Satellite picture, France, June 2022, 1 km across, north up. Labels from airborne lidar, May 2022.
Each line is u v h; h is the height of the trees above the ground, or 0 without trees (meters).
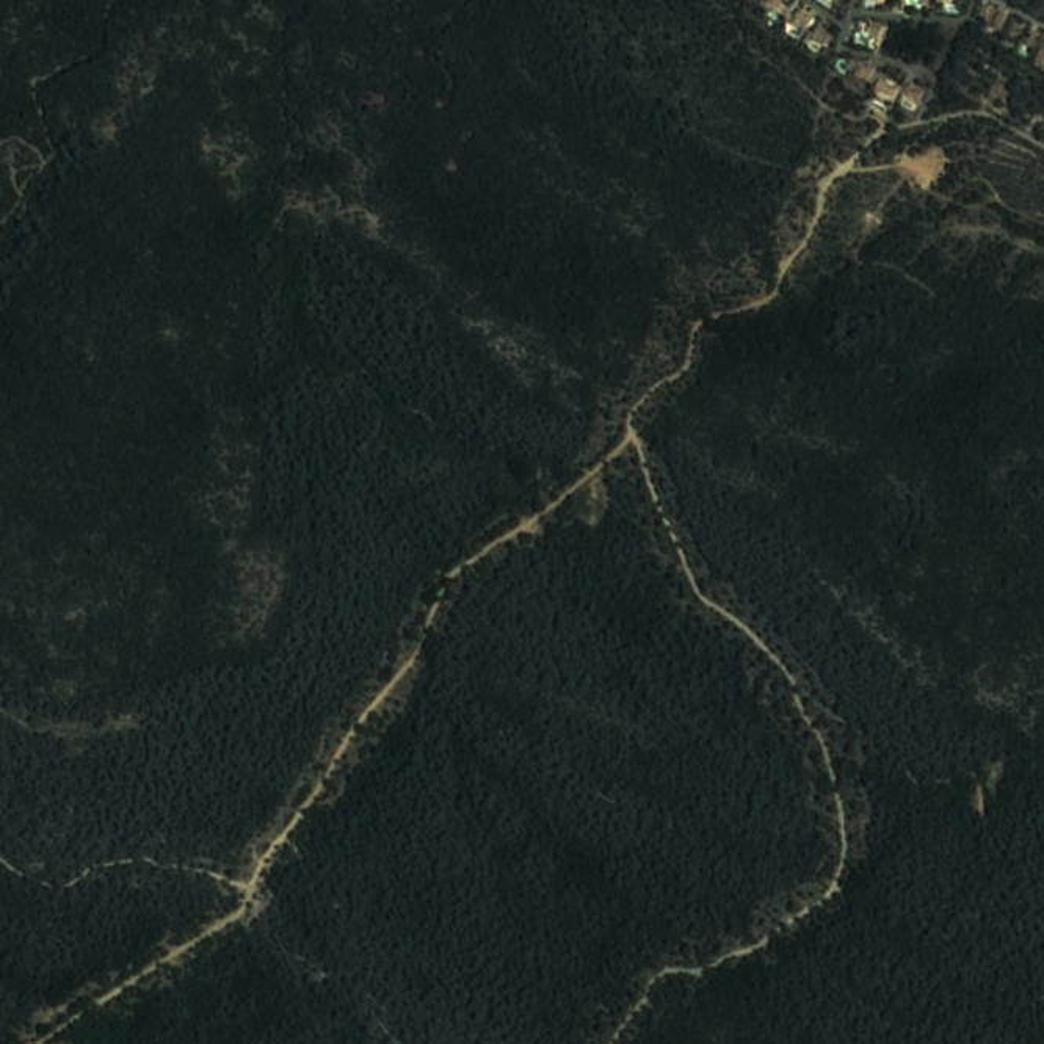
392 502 11
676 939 6
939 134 6
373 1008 7
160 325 6
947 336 6
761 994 8
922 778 8
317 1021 13
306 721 7
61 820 16
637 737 9
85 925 13
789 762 10
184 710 10
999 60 17
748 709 10
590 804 12
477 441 11
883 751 16
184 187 11
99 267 8
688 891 11
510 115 7
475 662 15
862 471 6
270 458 16
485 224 9
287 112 9
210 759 12
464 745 15
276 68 8
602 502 0
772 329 9
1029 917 13
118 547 7
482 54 7
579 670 19
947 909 12
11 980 11
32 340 7
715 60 6
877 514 6
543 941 10
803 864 8
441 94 7
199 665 6
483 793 17
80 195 8
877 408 6
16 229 8
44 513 6
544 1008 7
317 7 9
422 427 9
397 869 18
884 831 13
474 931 8
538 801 12
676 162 7
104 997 8
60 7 6
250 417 6
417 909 11
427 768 13
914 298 7
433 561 14
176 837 17
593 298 9
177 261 8
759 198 17
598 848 13
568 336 11
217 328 6
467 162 7
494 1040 10
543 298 9
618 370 6
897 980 16
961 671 6
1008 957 5
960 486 8
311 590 11
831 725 17
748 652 15
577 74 15
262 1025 7
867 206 0
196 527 7
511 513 9
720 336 8
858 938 9
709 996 11
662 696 17
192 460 6
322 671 18
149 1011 8
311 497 16
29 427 8
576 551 11
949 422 9
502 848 14
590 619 16
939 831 15
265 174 7
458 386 7
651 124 7
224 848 15
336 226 6
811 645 15
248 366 7
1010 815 14
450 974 16
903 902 14
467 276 7
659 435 8
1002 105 6
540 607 15
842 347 18
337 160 9
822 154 6
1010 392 8
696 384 6
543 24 8
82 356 6
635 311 7
